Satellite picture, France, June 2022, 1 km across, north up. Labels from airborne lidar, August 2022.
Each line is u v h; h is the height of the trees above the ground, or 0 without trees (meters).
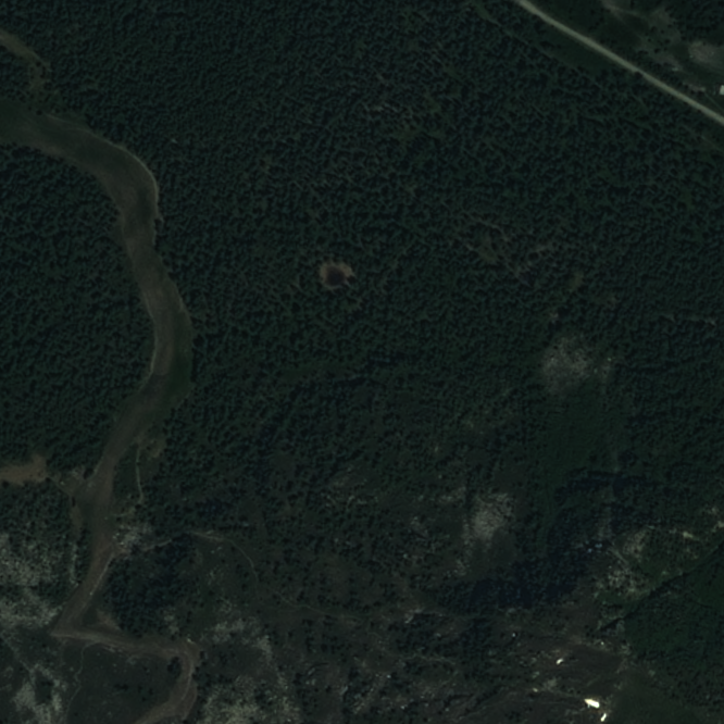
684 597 6
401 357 10
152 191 0
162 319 0
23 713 0
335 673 0
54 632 0
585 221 26
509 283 31
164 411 0
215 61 17
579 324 10
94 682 0
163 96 22
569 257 20
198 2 17
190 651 0
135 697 0
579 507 6
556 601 6
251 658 0
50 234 19
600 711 0
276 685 0
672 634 7
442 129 32
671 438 8
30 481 0
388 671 0
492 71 32
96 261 19
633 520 9
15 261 9
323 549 13
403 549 8
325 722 0
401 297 22
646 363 13
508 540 0
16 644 0
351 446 13
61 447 18
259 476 14
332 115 25
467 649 8
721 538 12
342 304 28
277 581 9
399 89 23
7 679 0
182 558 11
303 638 0
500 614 8
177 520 9
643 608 6
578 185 32
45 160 19
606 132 27
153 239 0
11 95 18
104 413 8
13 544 11
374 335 21
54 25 18
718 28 23
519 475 0
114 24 12
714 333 24
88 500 0
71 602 0
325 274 0
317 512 12
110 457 0
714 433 12
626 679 0
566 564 12
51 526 13
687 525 13
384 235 28
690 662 6
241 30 23
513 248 24
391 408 9
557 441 7
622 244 22
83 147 0
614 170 27
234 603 0
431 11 25
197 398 7
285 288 17
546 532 7
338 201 26
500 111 31
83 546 16
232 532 10
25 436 15
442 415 13
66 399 16
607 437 6
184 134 17
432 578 7
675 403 19
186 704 0
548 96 26
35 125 0
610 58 0
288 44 7
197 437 19
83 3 15
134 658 0
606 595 6
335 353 8
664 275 22
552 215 21
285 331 26
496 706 0
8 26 21
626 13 0
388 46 28
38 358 15
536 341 24
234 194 16
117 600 11
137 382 19
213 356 29
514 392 8
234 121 14
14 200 23
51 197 24
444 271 16
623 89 20
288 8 18
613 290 17
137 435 0
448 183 23
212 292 14
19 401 16
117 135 22
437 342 23
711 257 23
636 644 7
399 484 14
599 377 0
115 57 12
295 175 23
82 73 16
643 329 23
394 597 7
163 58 17
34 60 0
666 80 11
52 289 24
